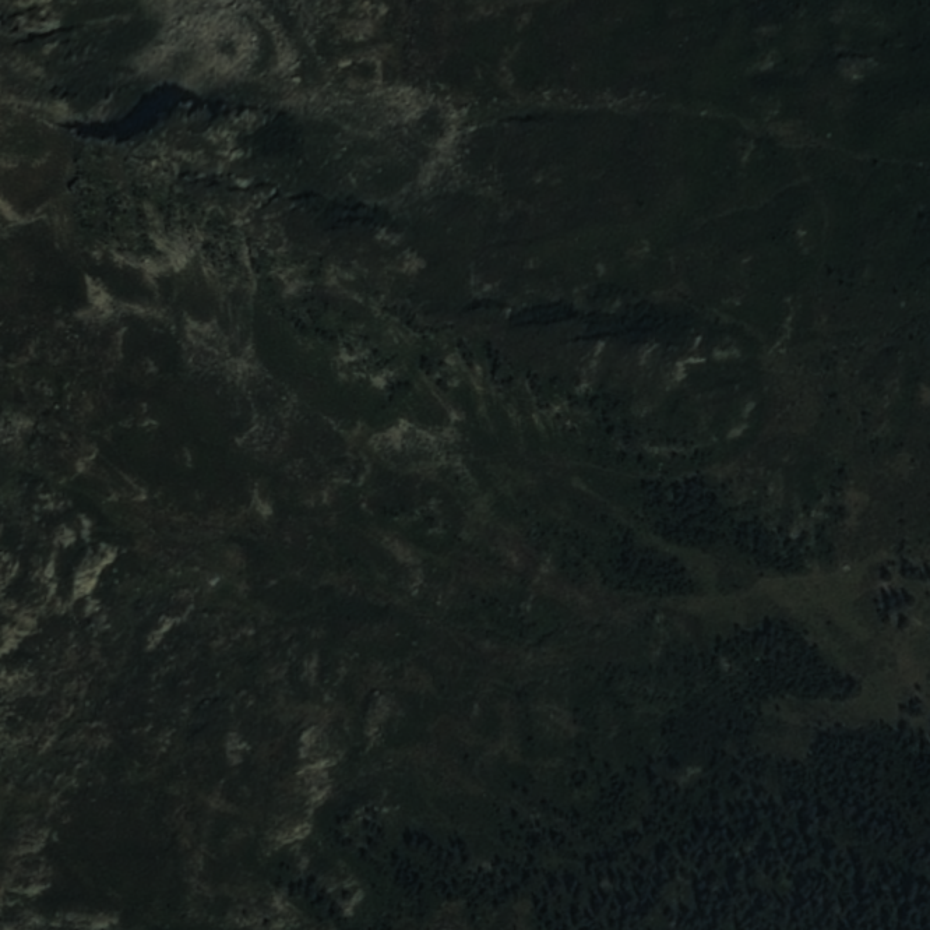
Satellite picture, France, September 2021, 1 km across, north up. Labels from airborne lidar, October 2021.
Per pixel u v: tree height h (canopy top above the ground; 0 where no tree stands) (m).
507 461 0
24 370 0
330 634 0
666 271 0
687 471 0
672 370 0
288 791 0
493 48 0
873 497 0
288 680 0
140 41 0
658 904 22
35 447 0
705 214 0
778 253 0
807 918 26
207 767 0
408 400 0
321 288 0
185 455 0
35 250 0
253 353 0
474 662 0
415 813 0
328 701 0
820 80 0
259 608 0
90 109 0
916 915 22
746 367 0
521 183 0
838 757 8
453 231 0
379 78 0
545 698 0
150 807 0
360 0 0
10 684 0
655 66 0
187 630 0
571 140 0
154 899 0
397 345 0
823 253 0
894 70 0
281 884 9
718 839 21
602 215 0
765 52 0
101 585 0
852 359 0
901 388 0
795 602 0
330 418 0
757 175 0
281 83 0
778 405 0
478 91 0
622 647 0
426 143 0
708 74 0
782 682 8
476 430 0
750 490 0
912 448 0
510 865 9
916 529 0
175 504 0
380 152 0
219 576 0
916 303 0
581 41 0
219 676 0
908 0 0
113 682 0
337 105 0
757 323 0
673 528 7
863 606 0
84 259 0
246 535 0
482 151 0
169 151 0
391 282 0
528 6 0
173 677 0
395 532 0
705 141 0
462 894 6
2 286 0
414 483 0
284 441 0
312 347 0
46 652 0
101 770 0
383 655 0
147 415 0
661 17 0
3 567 0
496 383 7
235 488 0
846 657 0
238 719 0
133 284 0
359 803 0
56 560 0
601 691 0
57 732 0
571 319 9
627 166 0
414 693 0
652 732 0
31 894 0
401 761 0
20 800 0
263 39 0
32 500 0
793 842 18
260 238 0
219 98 0
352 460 0
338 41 0
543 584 0
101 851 0
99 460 0
